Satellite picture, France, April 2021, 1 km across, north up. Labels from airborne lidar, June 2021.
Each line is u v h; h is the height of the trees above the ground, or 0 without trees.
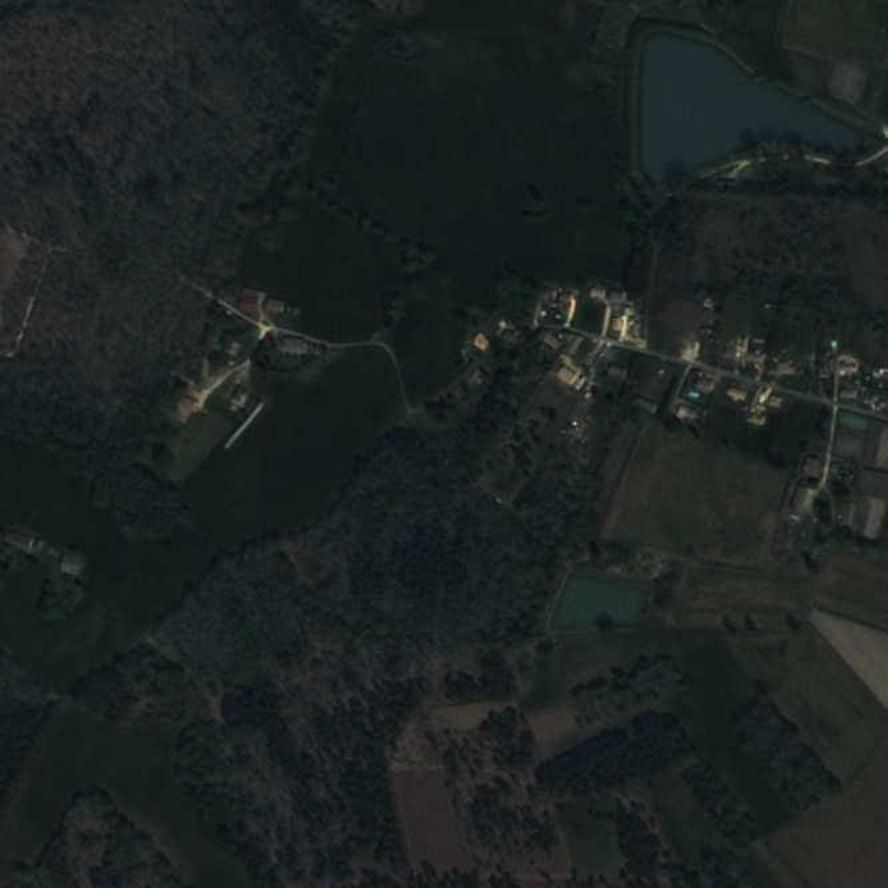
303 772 21
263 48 15
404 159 0
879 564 0
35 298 9
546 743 0
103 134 11
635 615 0
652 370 0
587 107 0
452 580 20
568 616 0
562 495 11
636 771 22
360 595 21
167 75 18
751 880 20
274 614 19
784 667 0
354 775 22
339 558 15
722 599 0
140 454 19
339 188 0
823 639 0
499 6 0
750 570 0
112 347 12
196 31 15
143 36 15
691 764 20
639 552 0
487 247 0
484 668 17
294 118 14
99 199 25
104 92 13
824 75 0
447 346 0
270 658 20
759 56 0
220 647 20
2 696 18
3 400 15
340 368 0
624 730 0
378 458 14
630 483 0
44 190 10
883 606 0
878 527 0
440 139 0
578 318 0
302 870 23
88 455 24
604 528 0
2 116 12
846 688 0
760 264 8
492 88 0
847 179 23
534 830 15
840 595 0
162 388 15
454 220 0
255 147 13
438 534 17
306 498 0
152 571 0
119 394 15
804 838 0
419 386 0
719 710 0
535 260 0
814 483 12
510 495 16
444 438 11
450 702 8
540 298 14
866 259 0
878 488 0
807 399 0
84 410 16
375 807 18
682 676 13
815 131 0
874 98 0
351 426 0
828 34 0
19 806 0
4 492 0
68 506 0
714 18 15
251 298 0
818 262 12
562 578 14
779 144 25
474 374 0
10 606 0
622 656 0
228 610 19
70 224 13
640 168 0
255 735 21
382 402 0
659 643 0
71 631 0
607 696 16
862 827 0
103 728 0
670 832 0
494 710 0
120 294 11
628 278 11
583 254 0
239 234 9
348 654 13
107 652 0
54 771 0
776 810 0
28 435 21
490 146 0
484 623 20
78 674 0
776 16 0
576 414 0
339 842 11
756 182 0
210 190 19
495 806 19
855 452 0
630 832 16
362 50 0
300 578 17
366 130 0
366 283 0
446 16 0
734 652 0
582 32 0
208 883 0
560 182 0
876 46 0
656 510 0
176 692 17
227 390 0
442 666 12
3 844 0
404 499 20
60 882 22
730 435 0
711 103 0
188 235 16
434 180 0
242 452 0
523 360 15
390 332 0
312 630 22
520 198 0
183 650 23
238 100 18
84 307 12
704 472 0
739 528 0
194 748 20
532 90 0
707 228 0
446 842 0
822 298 7
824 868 0
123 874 9
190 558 0
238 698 10
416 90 0
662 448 0
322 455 0
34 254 12
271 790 15
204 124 20
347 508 13
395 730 16
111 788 0
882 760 0
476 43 0
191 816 0
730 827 21
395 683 11
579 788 20
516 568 16
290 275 0
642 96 0
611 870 0
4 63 15
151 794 0
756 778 0
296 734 12
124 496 24
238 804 12
